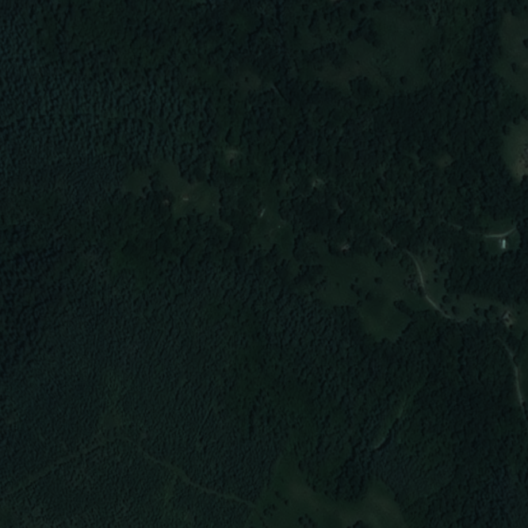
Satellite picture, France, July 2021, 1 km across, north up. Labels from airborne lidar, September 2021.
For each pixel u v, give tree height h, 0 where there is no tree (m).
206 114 8
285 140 24
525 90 0
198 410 14
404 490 19
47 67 14
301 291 8
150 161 21
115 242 8
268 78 10
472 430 25
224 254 21
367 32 15
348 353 15
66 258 22
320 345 15
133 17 9
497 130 9
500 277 18
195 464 16
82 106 28
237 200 23
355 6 6
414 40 0
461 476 24
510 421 19
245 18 0
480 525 20
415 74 0
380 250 13
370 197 9
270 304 21
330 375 21
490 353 18
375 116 19
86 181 14
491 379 19
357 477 20
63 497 11
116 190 8
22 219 19
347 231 25
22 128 6
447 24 25
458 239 12
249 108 25
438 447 6
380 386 10
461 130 25
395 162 17
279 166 25
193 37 8
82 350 6
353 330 22
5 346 11
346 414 13
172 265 18
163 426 17
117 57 26
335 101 23
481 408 28
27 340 11
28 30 24
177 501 11
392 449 23
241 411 16
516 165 0
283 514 0
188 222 21
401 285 0
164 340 13
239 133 13
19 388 10
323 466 15
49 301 13
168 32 24
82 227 18
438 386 19
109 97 26
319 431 7
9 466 18
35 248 10
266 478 14
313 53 8
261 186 13
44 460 10
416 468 21
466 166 24
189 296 19
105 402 6
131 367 18
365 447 19
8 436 12
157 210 23
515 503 23
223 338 14
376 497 0
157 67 9
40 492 8
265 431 15
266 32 29
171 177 0
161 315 23
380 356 25
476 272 19
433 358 26
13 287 27
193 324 15
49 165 23
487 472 15
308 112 21
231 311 10
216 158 24
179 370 18
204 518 9
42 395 8
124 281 16
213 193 0
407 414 7
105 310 13
